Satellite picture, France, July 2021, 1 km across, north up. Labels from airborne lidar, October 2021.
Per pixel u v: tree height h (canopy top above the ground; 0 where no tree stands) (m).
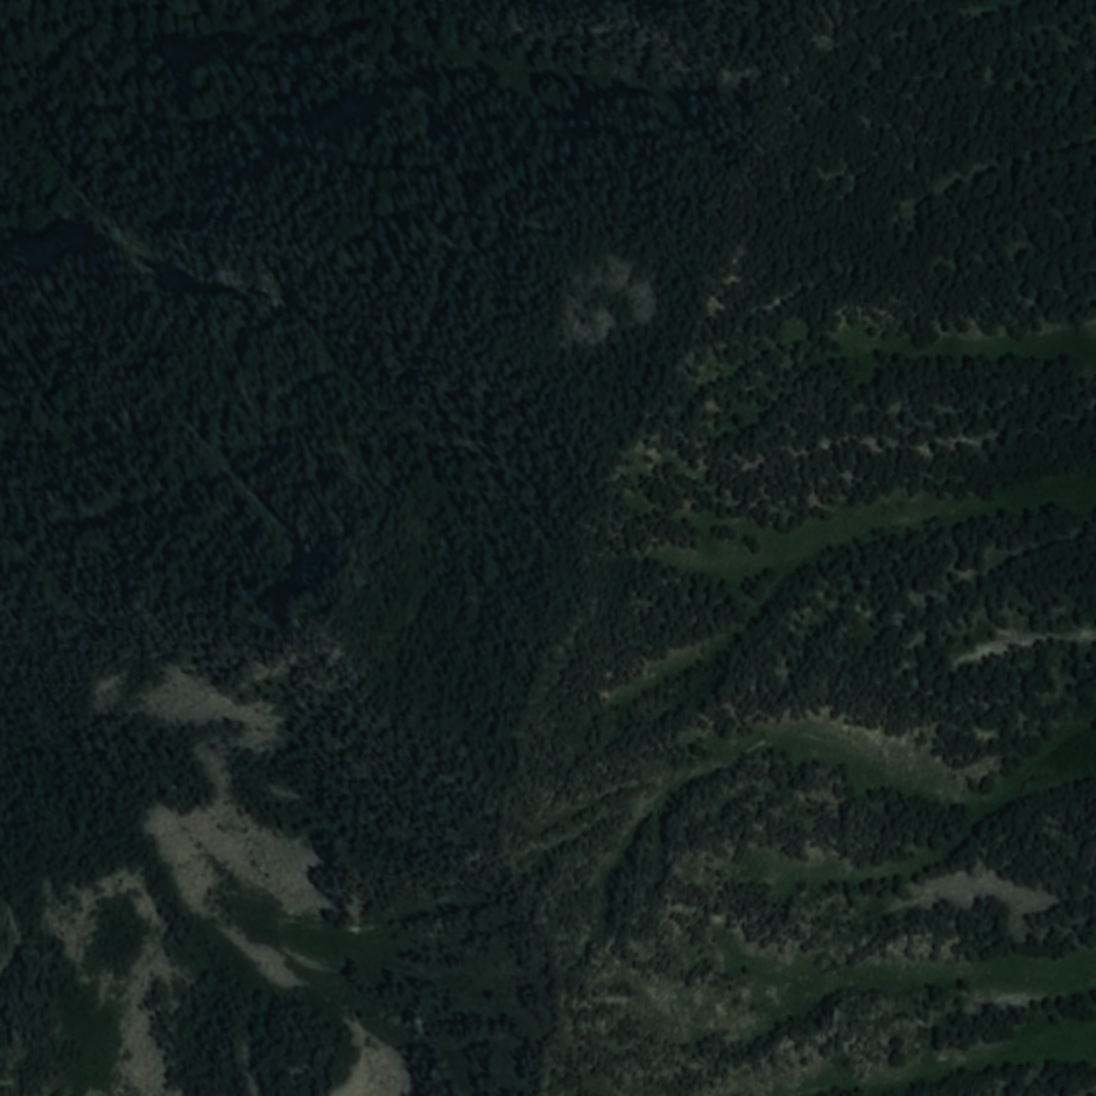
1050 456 32
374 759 12
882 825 22
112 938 7
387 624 9
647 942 12
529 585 6
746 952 0
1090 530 12
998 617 22
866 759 0
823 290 20
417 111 15
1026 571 39
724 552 0
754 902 11
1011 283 25
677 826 13
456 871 15
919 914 19
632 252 12
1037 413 29
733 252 12
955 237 34
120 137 8
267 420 11
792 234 23
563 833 11
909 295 27
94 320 13
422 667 14
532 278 15
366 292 21
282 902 0
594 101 11
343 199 29
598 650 15
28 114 27
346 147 15
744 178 12
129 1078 0
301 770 14
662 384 6
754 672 18
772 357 27
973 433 18
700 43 11
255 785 6
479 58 0
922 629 25
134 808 7
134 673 9
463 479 14
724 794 17
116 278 9
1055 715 18
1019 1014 33
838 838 16
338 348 12
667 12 15
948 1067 0
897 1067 17
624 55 10
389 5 28
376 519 11
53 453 13
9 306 19
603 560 9
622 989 11
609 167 9
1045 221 36
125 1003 0
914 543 23
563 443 20
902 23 26
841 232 22
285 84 36
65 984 10
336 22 12
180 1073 9
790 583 9
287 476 11
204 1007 9
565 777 15
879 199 31
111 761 27
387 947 0
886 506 6
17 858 8
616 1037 13
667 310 7
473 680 10
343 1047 8
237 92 28
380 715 11
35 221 30
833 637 22
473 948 7
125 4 11
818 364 23
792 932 10
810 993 0
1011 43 30
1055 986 0
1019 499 0
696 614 18
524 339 10
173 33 7
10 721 9
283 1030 11
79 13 18
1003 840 21
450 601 13
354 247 13
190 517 6
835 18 27
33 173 25
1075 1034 0
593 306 7
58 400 22
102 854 10
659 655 14
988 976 0
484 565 13
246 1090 10
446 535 10
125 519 12
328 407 7
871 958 19
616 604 14
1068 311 31
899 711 16
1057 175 27
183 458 11
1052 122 29
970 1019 22
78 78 16
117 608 15
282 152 17
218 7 20
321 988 0
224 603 11
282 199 16
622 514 18
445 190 11
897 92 23
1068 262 34
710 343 20
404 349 33
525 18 12
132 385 10
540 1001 10
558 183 19
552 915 10
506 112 16
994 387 26
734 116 21
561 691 9
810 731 0
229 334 10
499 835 8
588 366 11
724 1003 0
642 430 12
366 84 32
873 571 28
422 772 13
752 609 6
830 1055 27
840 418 27
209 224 17
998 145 43
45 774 9
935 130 30
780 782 19
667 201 14
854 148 22
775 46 21
